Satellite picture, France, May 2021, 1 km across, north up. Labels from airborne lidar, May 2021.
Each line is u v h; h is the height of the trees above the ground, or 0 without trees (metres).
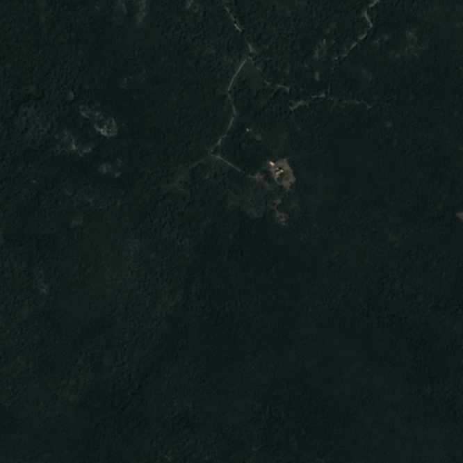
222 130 7
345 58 9
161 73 6
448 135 7
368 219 11
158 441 9
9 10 10
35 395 6
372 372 6
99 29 12
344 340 8
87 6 10
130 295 9
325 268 8
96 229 7
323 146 7
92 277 9
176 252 12
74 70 10
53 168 13
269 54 13
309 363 7
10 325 10
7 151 10
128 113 12
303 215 7
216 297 13
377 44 7
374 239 11
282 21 11
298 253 6
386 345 8
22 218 14
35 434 11
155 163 9
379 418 7
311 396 7
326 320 9
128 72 9
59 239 7
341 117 13
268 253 8
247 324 9
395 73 10
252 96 7
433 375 12
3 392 13
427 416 11
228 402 9
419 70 10
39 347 12
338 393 6
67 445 12
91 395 20
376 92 13
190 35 12
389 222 10
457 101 10
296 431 7
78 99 14
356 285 13
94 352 16
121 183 16
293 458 6
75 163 12
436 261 11
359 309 8
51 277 8
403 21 12
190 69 11
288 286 8
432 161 17
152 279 7
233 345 10
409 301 11
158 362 15
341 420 7
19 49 14
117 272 6
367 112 11
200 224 12
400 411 8
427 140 10
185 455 9
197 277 11
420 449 8
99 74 7
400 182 9
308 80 9
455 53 9
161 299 10
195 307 13
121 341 11
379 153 8
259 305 9
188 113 12
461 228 9
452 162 9
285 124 10
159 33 7
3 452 7
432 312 11
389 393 8
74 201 13
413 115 12
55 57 8
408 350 12
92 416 14
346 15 14
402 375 13
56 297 9
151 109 11
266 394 9
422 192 11
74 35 11
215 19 10
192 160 12
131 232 12
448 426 9
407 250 8
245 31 9
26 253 14
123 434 12
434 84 13
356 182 8
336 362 6
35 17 11
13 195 14
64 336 7
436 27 6
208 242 12
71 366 9
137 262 14
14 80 14
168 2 14
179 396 11
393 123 11
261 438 10
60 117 13
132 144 16
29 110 21
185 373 11
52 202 12
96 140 7
